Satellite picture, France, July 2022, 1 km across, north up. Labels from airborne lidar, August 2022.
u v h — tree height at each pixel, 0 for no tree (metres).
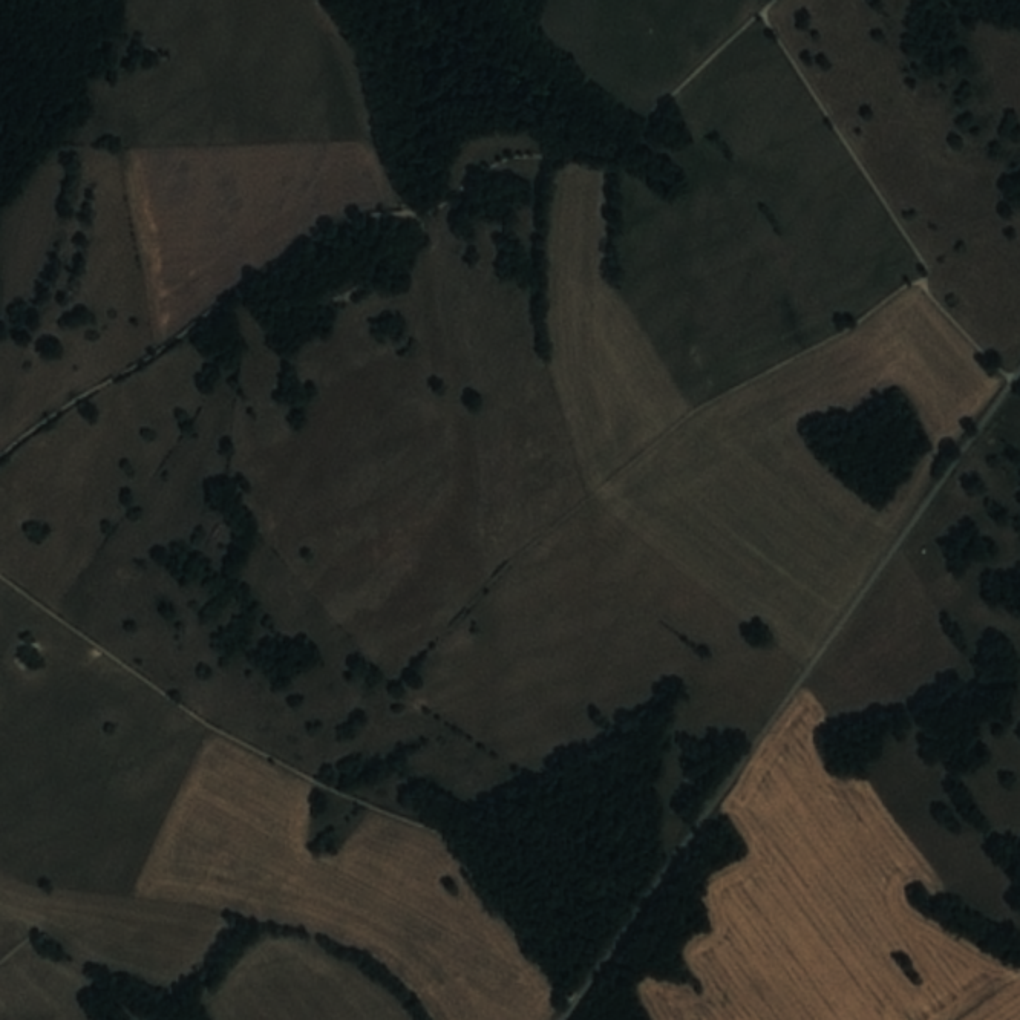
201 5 0
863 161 0
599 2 0
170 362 0
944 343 0
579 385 0
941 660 0
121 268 0
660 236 0
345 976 0
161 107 0
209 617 6
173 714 0
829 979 0
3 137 25
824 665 0
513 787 10
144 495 0
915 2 8
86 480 0
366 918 0
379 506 0
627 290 0
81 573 0
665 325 0
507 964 0
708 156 0
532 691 0
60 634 0
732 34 0
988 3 14
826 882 0
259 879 0
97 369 0
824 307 0
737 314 0
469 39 36
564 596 0
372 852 0
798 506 0
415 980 0
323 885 0
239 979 0
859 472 18
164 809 0
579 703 0
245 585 8
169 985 0
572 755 15
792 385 0
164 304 0
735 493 0
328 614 0
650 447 0
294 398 13
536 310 13
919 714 21
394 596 0
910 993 0
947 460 8
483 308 0
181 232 0
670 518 0
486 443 0
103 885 0
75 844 0
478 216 14
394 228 14
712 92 0
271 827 0
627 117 15
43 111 23
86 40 18
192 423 9
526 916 18
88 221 12
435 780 0
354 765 8
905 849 0
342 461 0
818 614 0
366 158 0
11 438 0
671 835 0
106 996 19
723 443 0
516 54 26
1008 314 0
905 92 0
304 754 0
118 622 0
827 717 0
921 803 0
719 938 0
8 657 0
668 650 0
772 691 0
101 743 0
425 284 0
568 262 0
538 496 0
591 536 0
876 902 0
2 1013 0
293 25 0
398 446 0
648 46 0
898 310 0
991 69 0
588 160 17
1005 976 0
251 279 19
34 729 0
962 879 0
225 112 0
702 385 0
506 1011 0
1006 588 16
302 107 0
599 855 20
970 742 16
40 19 23
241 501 13
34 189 0
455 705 0
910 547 0
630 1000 11
